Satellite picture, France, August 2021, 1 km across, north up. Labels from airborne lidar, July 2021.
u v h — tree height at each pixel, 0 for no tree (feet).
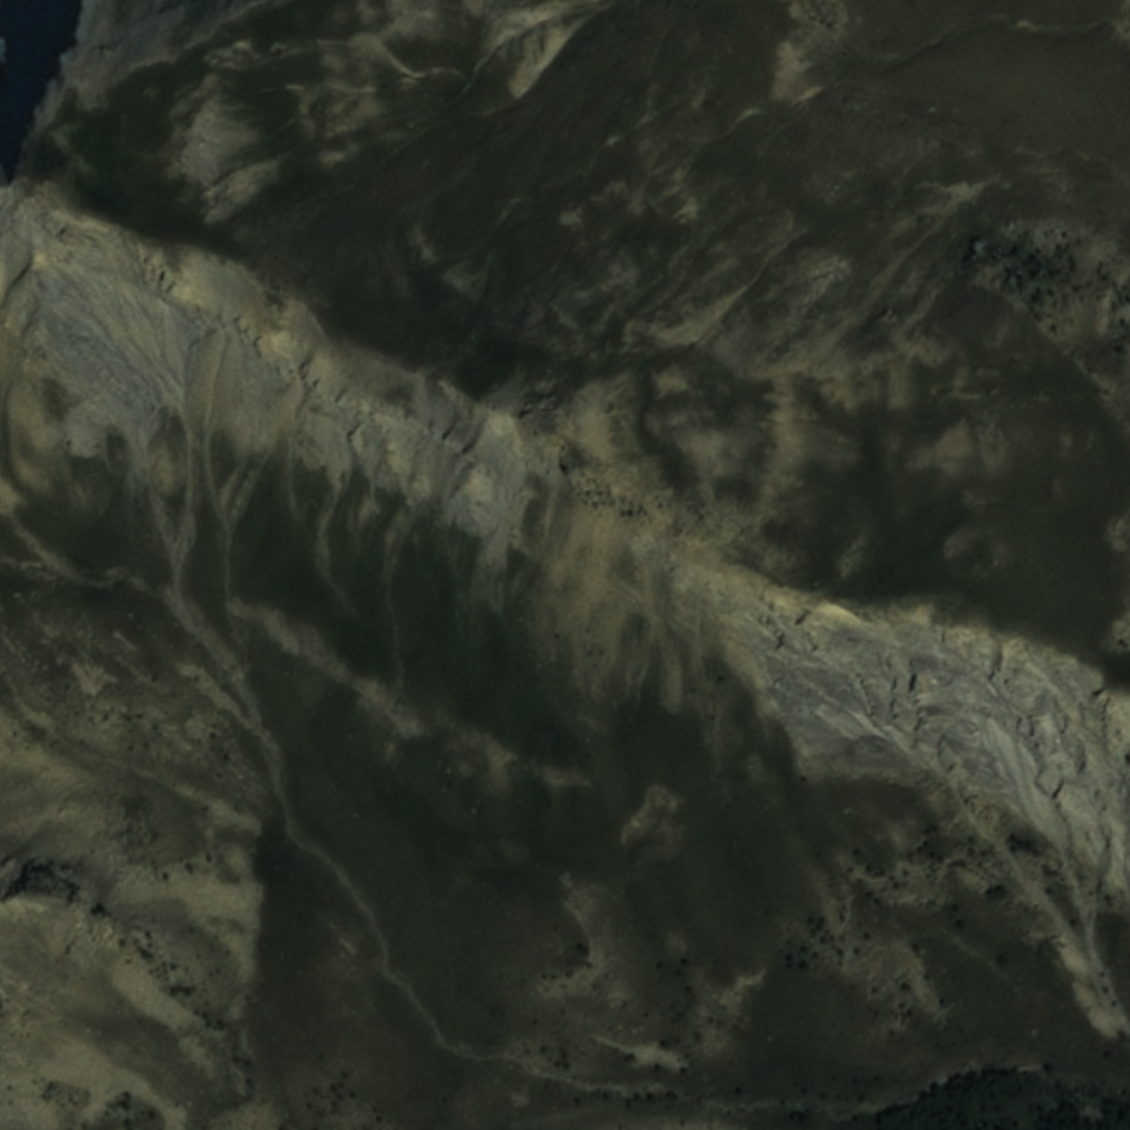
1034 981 0
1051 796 0
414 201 0
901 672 0
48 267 0
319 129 0
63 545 0
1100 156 0
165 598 0
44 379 0
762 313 0
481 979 0
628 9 0
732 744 0
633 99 0
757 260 0
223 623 0
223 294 0
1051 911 0
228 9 0
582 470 0
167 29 0
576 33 0
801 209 0
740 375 0
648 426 0
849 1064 0
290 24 0
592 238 0
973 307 0
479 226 0
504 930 0
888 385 0
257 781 0
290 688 0
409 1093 0
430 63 0
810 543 0
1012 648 0
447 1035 0
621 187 0
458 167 0
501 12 0
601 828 0
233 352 0
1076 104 0
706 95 0
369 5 0
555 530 0
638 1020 0
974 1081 33
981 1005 0
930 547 0
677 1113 0
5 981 0
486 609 0
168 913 0
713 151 0
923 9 0
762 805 0
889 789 0
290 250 0
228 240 0
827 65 0
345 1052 0
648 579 0
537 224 0
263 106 0
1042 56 0
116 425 0
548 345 0
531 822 0
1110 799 0
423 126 0
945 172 0
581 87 0
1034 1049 0
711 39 0
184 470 0
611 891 0
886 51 0
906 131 0
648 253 0
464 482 0
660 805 0
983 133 0
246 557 0
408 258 0
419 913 0
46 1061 0
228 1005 0
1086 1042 0
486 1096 0
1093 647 0
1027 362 0
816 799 0
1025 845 32
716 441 0
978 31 0
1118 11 0
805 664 0
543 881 0
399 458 0
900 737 0
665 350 0
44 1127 0
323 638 0
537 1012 0
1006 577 0
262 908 0
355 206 0
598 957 0
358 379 0
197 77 0
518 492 0
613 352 0
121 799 0
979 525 0
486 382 0
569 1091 0
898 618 0
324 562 0
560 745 0
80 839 0
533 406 0
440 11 0
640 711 0
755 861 0
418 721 0
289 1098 0
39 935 0
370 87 0
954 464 0
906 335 0
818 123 0
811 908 0
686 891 0
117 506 0
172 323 0
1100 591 0
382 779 0
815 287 0
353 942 0
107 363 0
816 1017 0
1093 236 0
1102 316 0
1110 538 0
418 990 0
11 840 0
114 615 0
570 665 0
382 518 0
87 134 0
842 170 0
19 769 0
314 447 0
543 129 0
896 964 0
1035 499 0
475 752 0
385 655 0
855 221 0
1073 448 0
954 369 0
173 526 0
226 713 0
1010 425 0
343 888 0
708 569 0
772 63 0
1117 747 0
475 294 0
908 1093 0
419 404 0
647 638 0
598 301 0
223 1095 0
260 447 0
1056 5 0
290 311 0
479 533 0
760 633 0
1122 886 0
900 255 0
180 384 0
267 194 0
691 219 0
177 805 0
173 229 0
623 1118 0
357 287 0
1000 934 0
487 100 0
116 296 0
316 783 0
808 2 0
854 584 0
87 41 0
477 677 0
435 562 0
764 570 0
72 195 0
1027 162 0
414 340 0
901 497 0
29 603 0
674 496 0
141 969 0
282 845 0
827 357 0
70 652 0
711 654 0
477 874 0
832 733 0
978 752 0
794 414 0
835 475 0
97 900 0
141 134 0
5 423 0
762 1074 0
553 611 0
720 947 0
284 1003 0
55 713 0
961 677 0
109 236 0
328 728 0
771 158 0
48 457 0
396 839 0
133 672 0
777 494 0
